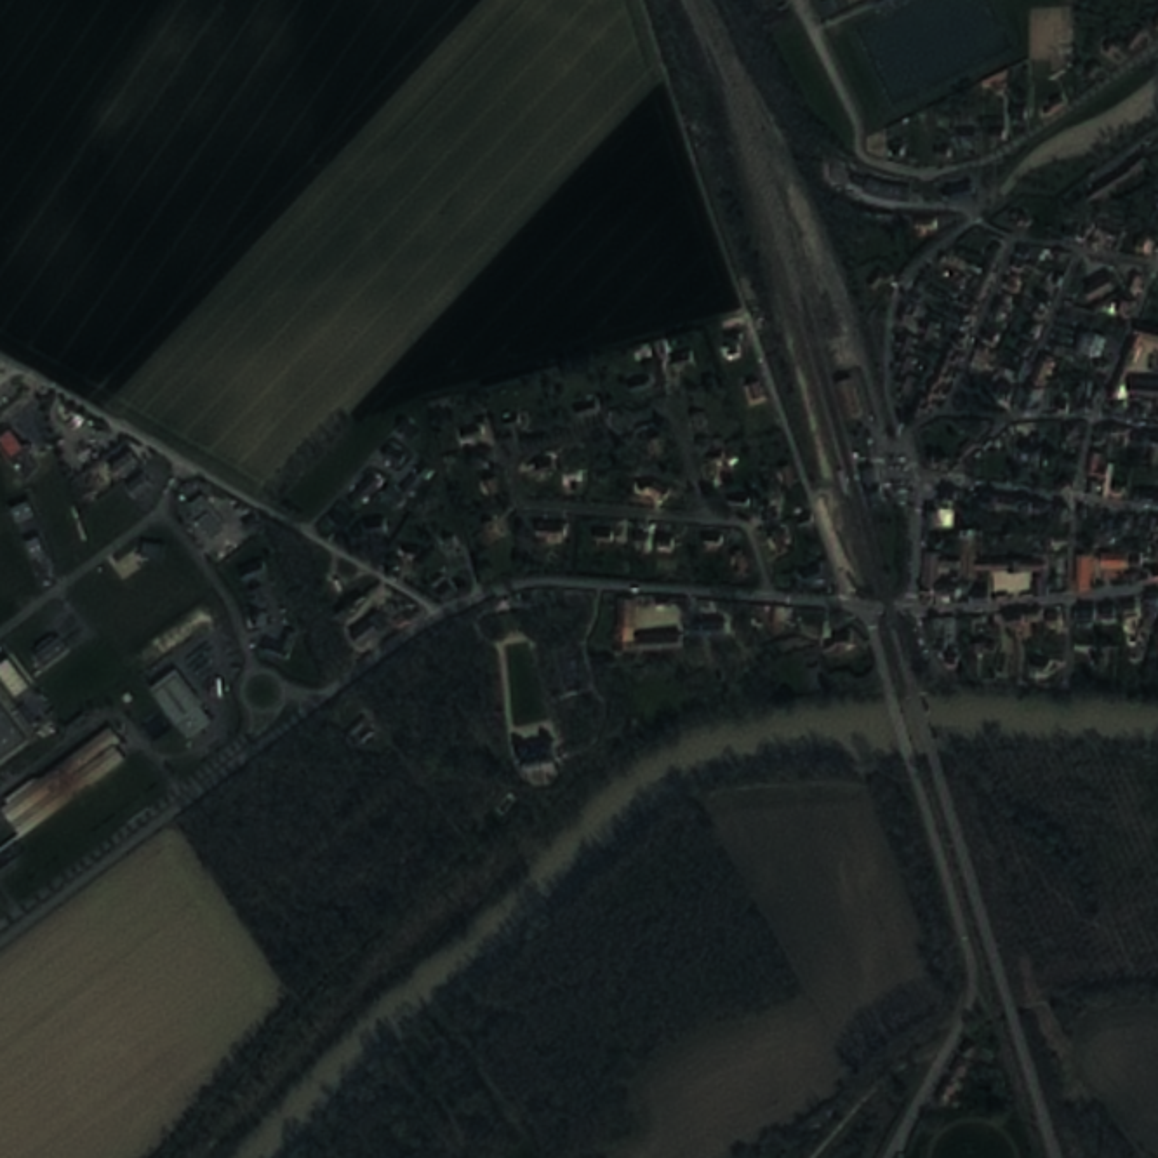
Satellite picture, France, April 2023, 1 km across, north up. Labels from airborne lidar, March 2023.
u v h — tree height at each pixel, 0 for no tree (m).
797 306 0
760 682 18
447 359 0
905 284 0
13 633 0
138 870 0
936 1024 32
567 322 0
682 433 0
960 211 0
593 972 33
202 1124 6
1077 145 0
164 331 0
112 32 0
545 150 0
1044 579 0
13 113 0
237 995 0
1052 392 0
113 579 0
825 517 0
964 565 0
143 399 0
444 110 0
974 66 0
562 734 15
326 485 0
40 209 0
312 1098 0
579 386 0
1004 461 0
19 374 0
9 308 0
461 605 0
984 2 0
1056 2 0
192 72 0
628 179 0
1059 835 22
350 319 0
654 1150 0
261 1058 6
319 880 14
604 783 33
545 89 0
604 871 32
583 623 21
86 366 0
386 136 0
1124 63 0
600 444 7
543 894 0
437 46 0
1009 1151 0
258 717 0
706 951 35
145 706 0
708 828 24
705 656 20
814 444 0
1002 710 0
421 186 0
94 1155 0
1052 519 17
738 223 11
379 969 24
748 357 0
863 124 0
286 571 10
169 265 0
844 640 0
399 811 19
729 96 0
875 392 0
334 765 22
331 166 0
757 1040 0
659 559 0
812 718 0
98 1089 0
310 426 0
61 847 0
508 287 0
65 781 0
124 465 0
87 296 0
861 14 0
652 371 10
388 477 0
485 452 9
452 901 20
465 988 13
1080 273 6
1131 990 17
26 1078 0
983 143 0
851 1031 0
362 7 0
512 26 0
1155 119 7
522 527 10
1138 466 9
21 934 0
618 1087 19
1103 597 0
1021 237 0
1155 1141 0
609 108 0
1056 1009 9
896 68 0
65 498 0
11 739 0
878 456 0
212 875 18
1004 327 7
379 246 0
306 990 13
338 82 0
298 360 0
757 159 0
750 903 17
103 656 0
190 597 0
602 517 0
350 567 0
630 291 0
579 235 0
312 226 0
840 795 0
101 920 0
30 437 0
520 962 33
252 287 0
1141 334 0
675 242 0
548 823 21
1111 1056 0
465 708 17
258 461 0
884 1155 0
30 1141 0
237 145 0
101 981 0
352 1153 21
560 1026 30
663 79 0
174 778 9
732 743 0
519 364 0
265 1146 0
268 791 16
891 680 0
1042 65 0
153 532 0
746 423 0
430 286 0
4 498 0
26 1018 0
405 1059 30
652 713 0
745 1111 0
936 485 0
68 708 0
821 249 0
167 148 0
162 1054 0
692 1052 0
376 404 0
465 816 20
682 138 0
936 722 0
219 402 0
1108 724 0
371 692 21
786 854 0
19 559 0
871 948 0
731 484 14
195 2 0
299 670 0
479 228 0
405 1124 28
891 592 0
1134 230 6
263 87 0
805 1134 8
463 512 10
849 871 0
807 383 0
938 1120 13
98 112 0
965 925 0
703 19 0
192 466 0
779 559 0
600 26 0
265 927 17
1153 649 6
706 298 0
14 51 0
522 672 0
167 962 0
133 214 0
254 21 0
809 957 0
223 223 0
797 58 0
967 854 0
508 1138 28
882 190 0
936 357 11
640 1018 30
